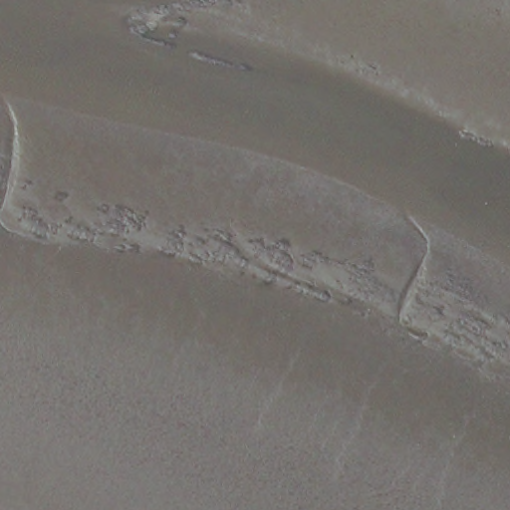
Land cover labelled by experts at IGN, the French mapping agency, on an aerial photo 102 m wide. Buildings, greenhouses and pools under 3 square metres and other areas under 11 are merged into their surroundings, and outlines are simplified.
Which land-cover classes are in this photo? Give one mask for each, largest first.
<instances>
[{"label":"bare soil","instance_id":"1","mask_svg":"<svg viewBox=\"0 0 510 510\"><path fill-rule=\"evenodd\" d=\"M161 24L193 34L219 32L229 38L261 42L271 48L293 52L319 64H327L329 68L345 70L371 86L390 92L392 96L404 98L402 102L408 106L430 110L434 116L452 122L458 129V135L464 139H474L480 145H510V0H143L141 6L129 18V32L133 36H139L145 30ZM0 510H510V265L436 225L422 223L414 215H402L392 205L382 203L375 195L341 181L339 177H329L315 169L301 167L285 159H277L273 155L257 153L255 149L231 147L217 141L177 135L153 127L110 122L100 116H88L70 108H54L48 104L28 100H12V106L8 108L6 104L0 106Z\"/></svg>","mask_w":510,"mask_h":510},{"label":"water","instance_id":"2","mask_svg":"<svg viewBox=\"0 0 510 510\"><path fill-rule=\"evenodd\" d=\"M143 0H0V106L6 104L8 108L12 106V100H28L48 104L54 108H70L88 116H100L110 122L153 127L177 135L217 141L231 147L255 149L257 153L273 155L277 159H285L301 167L315 169L329 177H339L341 181L375 195L382 203L392 205L402 215H414L422 223L436 225L510 265V145H480L474 139H464L458 135V129L452 122L434 116L430 110L408 106L402 102L404 98L392 96L390 92L371 86L345 70L329 68L327 64H319L293 52L271 48L261 42L229 38L219 32L193 34L161 24L145 30L139 36H133L129 32V18L141 6Z\"/></svg>","mask_w":510,"mask_h":510}]
</instances>
